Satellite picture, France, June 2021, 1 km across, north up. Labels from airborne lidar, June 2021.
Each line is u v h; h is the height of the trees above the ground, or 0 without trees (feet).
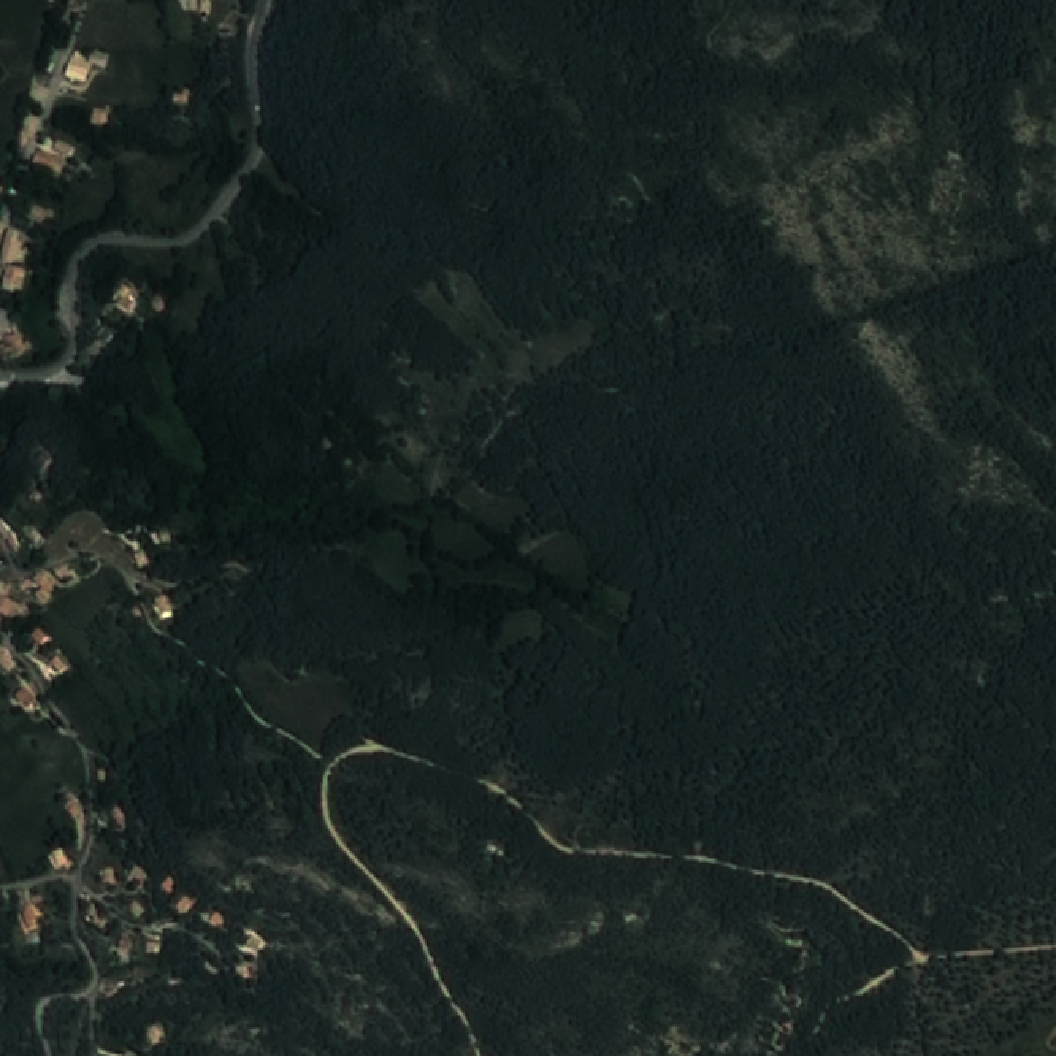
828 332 32
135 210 0
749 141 0
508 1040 31
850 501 39
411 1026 23
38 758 0
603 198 34
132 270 39
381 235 47
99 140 41
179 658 32
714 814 31
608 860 32
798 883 30
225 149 42
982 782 41
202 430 57
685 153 24
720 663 37
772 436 21
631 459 44
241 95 49
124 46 0
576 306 35
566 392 25
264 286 34
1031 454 41
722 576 47
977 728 43
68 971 23
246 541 41
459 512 44
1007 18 35
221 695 21
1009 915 30
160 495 56
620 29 38
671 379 25
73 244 41
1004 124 28
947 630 39
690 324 37
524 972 18
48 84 0
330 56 23
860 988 22
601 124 40
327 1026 24
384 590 36
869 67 28
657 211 48
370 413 48
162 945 22
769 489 39
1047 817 30
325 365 51
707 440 41
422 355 42
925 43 33
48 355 21
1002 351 40
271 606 38
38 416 44
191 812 35
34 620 26
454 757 42
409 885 21
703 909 21
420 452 0
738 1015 18
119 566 0
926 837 30
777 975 26
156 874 40
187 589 46
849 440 33
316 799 25
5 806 0
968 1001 35
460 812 41
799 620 45
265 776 27
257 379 52
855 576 46
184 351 48
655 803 42
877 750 34
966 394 19
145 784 48
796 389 34
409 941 24
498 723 36
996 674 31
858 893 30
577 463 40
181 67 0
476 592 49
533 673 43
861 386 36
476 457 27
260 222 21
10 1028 35
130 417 37
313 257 62
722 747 48
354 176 37
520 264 27
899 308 25
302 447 49
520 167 55
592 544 34
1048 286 31
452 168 50
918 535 44
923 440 20
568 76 36
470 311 0
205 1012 22
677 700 48
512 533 31
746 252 33
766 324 36
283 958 21
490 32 22
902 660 42
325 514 44
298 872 0
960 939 43
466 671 33
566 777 36
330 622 50
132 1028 31
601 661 41
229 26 0
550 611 47
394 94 40
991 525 32
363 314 37
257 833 22
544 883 25
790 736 50
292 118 39
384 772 31
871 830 36
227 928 24
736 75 25
